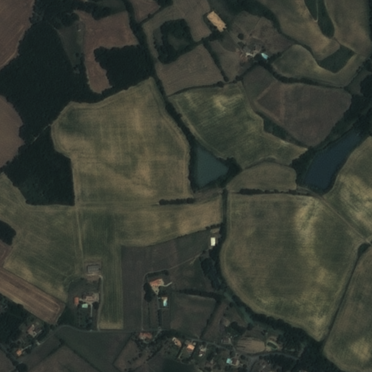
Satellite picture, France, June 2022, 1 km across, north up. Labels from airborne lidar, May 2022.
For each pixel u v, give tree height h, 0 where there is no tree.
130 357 0
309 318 0
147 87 0
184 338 12
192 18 0
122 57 19
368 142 0
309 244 0
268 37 0
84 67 14
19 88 16
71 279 0
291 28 0
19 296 0
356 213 0
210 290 0
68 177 11
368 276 0
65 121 0
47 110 18
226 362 0
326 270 0
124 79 17
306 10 0
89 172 0
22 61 15
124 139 0
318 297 0
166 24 14
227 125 0
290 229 0
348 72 0
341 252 0
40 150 8
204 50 0
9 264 0
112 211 0
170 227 0
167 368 0
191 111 0
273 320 18
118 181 0
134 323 0
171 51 19
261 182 0
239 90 0
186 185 0
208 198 0
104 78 0
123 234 0
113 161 0
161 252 0
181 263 0
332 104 0
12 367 0
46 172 8
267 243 0
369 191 0
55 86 16
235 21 0
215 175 0
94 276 0
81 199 0
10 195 0
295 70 0
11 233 19
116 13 0
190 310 0
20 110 15
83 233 0
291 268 0
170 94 0
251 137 0
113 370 0
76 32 0
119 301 0
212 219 0
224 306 0
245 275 0
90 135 0
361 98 19
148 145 0
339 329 0
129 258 0
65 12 14
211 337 0
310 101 0
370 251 0
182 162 0
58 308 0
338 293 0
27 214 0
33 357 0
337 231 0
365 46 0
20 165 13
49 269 0
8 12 0
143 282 0
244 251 0
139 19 0
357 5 0
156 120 0
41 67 17
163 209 0
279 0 0
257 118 0
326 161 0
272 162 0
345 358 0
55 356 0
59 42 16
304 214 0
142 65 19
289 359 8
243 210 0
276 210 0
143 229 0
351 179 0
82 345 0
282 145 0
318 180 0
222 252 0
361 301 0
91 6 17
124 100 0
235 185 0
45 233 0
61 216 0
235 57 0
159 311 9
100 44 0
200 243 0
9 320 18
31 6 0
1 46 0
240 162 0
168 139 0
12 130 0
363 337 0
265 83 0
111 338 0
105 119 0
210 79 0
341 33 0
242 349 0
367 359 0
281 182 0
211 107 0
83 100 16
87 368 0
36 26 16
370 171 0
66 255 0
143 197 0
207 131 0
